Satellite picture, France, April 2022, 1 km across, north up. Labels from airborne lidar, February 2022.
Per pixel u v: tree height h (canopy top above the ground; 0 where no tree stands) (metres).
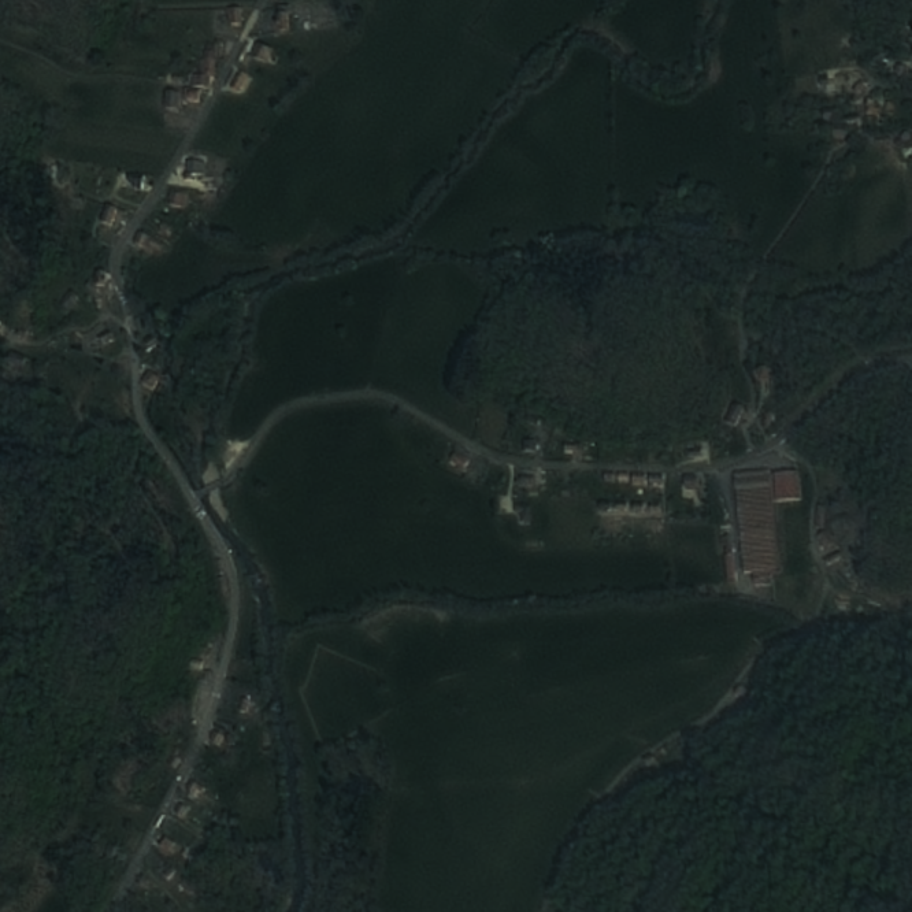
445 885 0
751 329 10
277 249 0
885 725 16
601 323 25
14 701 20
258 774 0
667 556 0
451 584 0
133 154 0
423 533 0
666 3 0
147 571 19
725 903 17
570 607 10
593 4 0
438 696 0
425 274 0
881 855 8
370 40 0
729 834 20
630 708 0
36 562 24
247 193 0
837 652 22
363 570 0
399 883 0
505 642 0
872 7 20
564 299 18
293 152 0
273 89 0
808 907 8
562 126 0
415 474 0
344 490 0
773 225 0
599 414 17
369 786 25
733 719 12
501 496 0
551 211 0
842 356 12
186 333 23
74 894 14
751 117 10
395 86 0
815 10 0
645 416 24
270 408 0
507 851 0
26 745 25
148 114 0
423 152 0
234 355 20
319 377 0
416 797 0
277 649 11
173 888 0
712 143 0
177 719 0
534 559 0
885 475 10
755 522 0
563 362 13
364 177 0
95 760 20
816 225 0
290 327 0
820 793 15
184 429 8
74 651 18
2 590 17
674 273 31
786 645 14
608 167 0
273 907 12
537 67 15
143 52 0
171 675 13
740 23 0
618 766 0
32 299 25
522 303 19
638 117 0
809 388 14
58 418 12
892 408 17
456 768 0
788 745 14
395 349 0
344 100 0
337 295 0
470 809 0
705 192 15
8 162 23
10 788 19
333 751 22
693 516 13
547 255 18
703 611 0
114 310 0
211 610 11
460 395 23
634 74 18
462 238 0
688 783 16
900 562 20
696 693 0
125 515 25
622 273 25
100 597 20
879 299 11
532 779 0
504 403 15
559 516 0
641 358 22
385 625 0
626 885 15
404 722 0
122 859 9
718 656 0
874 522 11
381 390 0
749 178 0
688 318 31
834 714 11
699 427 20
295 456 0
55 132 20
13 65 0
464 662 0
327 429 0
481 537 0
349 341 0
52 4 25
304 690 0
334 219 0
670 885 18
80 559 19
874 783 10
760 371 0
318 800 0
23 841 18
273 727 14
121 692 19
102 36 24
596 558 0
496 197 0
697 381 17
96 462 22
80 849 18
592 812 12
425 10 0
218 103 0
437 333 0
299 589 0
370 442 0
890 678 19
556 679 0
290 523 0
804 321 22
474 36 0
